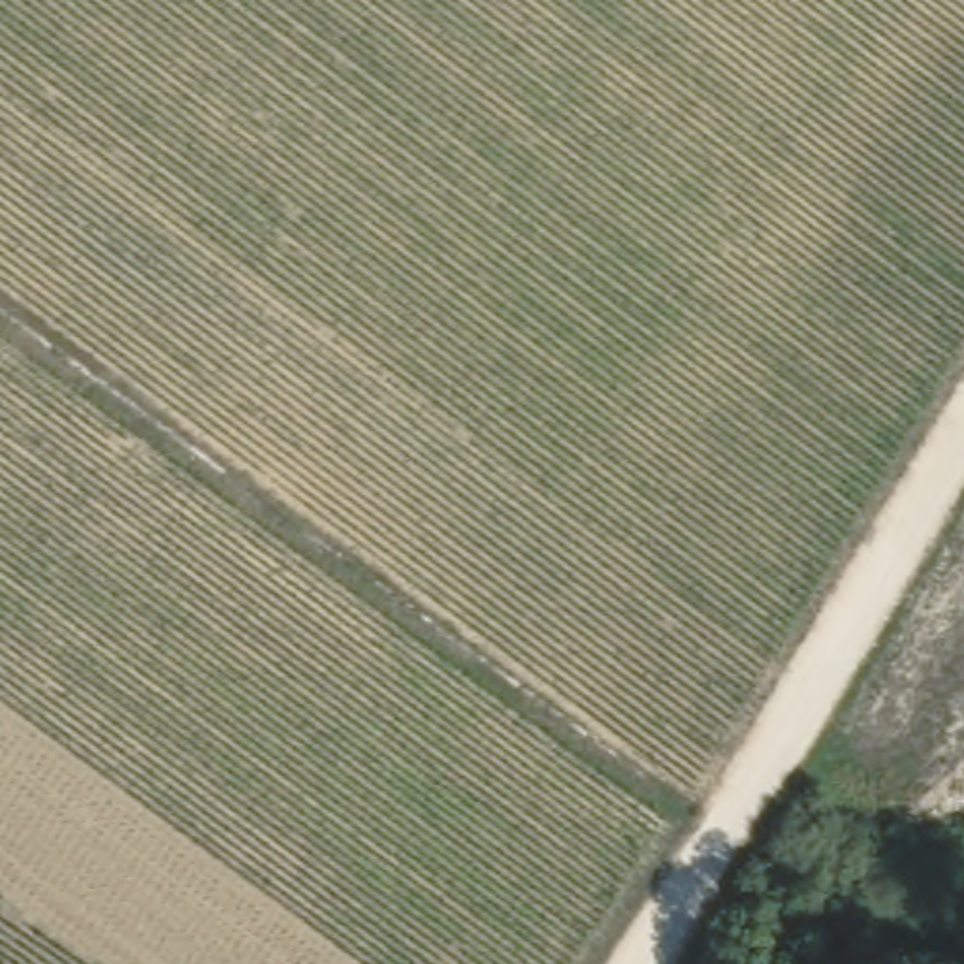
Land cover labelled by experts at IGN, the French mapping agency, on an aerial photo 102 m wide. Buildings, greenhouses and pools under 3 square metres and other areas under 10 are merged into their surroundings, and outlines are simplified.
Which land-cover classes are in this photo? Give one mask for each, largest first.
<instances>
[{"label":"vineyard","instance_id":"1","mask_svg":"<svg viewBox=\"0 0 964 964\"><path fill-rule=\"evenodd\" d=\"M964 380V0H0V964H606L625 930L633 926L636 911L663 889L670 870L678 866V847L700 821L712 795L723 787L731 757L753 734L761 708L779 689L825 599L836 591L855 550L874 535L877 512L892 497L896 482L908 474L941 407Z\"/></svg>","mask_w":964,"mask_h":964},{"label":"deciduous trees","instance_id":"2","mask_svg":"<svg viewBox=\"0 0 964 964\"><path fill-rule=\"evenodd\" d=\"M817 783L798 768L779 783L776 795L764 798L761 813L749 825V836L727 855L719 885L700 904V915L693 919L682 949L663 964H964V844L949 832L941 817L930 813L859 806L817 810Z\"/></svg>","mask_w":964,"mask_h":964},{"label":"pervious surface","instance_id":"3","mask_svg":"<svg viewBox=\"0 0 964 964\"><path fill-rule=\"evenodd\" d=\"M964 490V380L941 407L908 474L896 482L892 497L877 512L874 535L855 550L836 591L825 599L779 689L761 708L753 734L731 757L723 787L712 795L700 821L678 847V866L670 870L663 889L636 911L633 926L625 930L606 964H663L682 949L693 919L700 915V904L719 885L727 855L749 836V825L761 813L764 798L776 795L779 783L798 768L810 746L817 742L821 727L828 723L840 693L847 689L855 667L874 648L889 610L896 606L926 546L941 531L956 493Z\"/></svg>","mask_w":964,"mask_h":964},{"label":"herbaceous vegetation","instance_id":"4","mask_svg":"<svg viewBox=\"0 0 964 964\"><path fill-rule=\"evenodd\" d=\"M798 768L817 783V810L859 806L930 813L941 817L949 832L964 844V490L956 493L941 531L926 546L896 606L889 610L874 648L855 667L847 689L840 693L828 723L821 727L817 742L810 746Z\"/></svg>","mask_w":964,"mask_h":964}]
</instances>
